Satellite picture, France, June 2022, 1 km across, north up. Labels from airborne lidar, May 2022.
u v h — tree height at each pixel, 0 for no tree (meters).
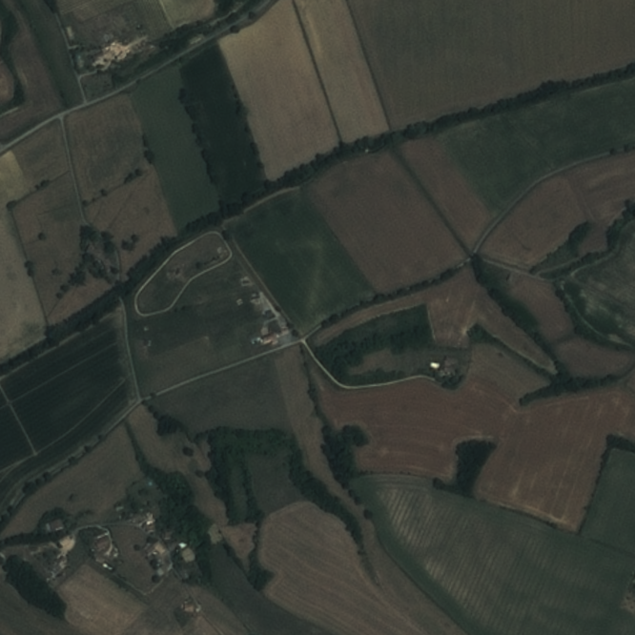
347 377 10
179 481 9
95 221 0
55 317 0
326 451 25
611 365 0
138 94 0
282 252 0
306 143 0
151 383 0
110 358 0
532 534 0
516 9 0
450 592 0
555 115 0
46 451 0
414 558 0
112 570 7
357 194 0
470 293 0
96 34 0
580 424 0
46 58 0
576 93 0
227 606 0
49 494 0
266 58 0
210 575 11
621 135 0
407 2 0
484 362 0
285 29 0
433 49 0
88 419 0
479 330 13
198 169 0
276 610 0
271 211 0
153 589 0
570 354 0
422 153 0
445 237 0
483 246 0
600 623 0
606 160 0
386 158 0
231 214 15
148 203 0
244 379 0
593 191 0
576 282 0
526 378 0
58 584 0
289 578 0
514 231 0
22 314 0
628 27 0
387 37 0
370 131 0
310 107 0
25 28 0
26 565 14
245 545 0
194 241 0
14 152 0
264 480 0
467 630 0
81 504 0
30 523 0
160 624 0
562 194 0
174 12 0
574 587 0
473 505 0
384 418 0
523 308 0
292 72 0
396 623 0
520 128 0
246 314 0
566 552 0
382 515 0
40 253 0
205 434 10
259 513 9
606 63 0
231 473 12
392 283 0
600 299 0
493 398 0
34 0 0
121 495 0
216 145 0
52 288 0
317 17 0
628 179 0
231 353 0
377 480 0
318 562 0
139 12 0
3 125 0
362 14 0
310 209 0
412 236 0
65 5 0
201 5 0
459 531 0
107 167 0
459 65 0
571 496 0
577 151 0
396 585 0
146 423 0
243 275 0
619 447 15
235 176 0
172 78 0
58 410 0
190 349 0
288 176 14
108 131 0
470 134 0
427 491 0
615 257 0
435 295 0
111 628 0
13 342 0
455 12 0
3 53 8
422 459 0
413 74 0
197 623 0
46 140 0
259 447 10
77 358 0
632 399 0
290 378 0
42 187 7
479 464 15
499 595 0
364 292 0
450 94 0
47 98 0
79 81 0
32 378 0
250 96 0
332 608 0
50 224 0
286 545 0
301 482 14
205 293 0
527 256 0
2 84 0
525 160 0
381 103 0
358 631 0
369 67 0
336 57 0
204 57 0
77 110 0
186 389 0
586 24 0
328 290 0
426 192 0
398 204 0
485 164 0
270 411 0
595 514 0
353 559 0
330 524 0
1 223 0
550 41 0
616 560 0
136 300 0
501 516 0
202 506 0
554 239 0
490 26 0
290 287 0
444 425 0
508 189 0
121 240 0
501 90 0
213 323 0
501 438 0
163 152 0
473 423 0
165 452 0
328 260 0
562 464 0
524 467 0
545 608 0
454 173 0
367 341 14
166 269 0
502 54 0
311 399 7
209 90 0
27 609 0
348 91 0
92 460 0
